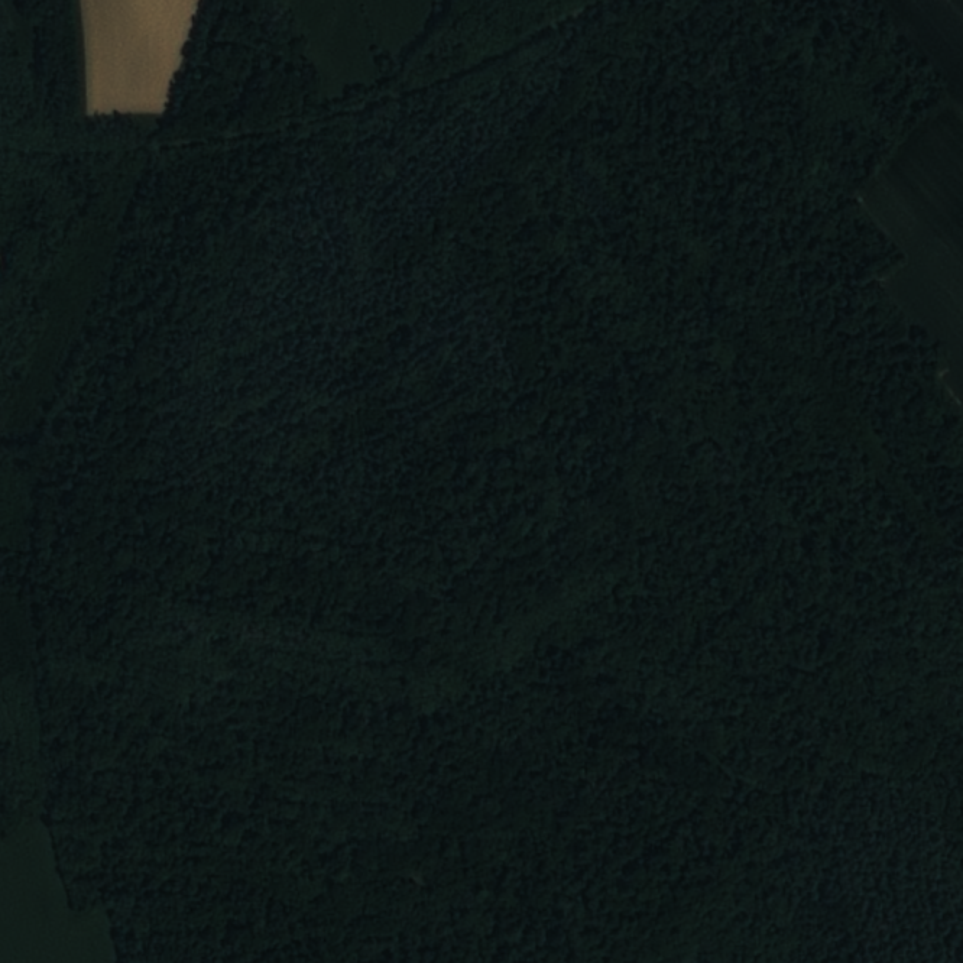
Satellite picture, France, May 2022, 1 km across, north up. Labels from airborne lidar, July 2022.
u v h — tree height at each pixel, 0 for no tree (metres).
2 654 11
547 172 21
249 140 13
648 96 13
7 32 16
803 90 25
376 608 23
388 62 14
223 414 23
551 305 27
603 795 19
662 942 16
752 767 25
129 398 21
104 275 7
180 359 24
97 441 28
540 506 26
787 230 29
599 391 29
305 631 18
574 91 22
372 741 23
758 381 12
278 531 27
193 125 24
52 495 8
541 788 27
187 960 28
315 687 25
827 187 12
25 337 19
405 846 26
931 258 0
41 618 31
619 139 29
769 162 9
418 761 28
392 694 22
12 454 29
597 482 29
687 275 12
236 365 24
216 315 26
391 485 23
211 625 19
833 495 13
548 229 7
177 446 25
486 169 20
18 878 0
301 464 12
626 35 27
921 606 20
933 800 21
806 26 28
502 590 24
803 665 28
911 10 0
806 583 24
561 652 17
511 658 25
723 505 21
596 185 20
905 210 0
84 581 25
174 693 27
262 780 20
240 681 27
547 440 22
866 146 10
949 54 0
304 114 18
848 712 18
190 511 19
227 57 27
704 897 24
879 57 11
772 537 25
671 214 14
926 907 21
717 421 12
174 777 21
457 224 22
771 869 20
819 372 20
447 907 18
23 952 0
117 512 25
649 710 30
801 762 20
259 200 23
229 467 23
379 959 10
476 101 23
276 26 32
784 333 16
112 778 26
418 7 0
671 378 22
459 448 24
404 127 23
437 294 19
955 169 0
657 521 26
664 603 21
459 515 8
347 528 20
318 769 23
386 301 26
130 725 18
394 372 25
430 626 26
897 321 24
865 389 14
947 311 0
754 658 13
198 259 21
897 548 30
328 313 22
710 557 19
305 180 24
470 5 21
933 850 23
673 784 30
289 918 27
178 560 28
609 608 18
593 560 27
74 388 26
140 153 8
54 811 26
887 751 17
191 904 21
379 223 19
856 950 16
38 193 19
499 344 23
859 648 25
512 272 11
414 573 26
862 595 20
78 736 21
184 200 11
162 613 18
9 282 22
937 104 26
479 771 28
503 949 15
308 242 27
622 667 24
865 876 23
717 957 17
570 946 26
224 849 22
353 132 20
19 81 29
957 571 27
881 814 22
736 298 31
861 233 27
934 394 6
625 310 12
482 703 17
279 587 23
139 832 25
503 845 18
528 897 26
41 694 22
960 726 24
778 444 24
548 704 20
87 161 26
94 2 0
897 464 16
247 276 23
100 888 7
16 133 24
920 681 26
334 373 15
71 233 23
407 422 24
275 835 25
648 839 19
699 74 20
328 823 25
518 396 12
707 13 26
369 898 16
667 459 23
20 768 17
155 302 27
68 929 0
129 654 24
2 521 12
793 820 22
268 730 25
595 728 25
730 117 26
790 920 19
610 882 14
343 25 0
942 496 16
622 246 21
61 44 20
